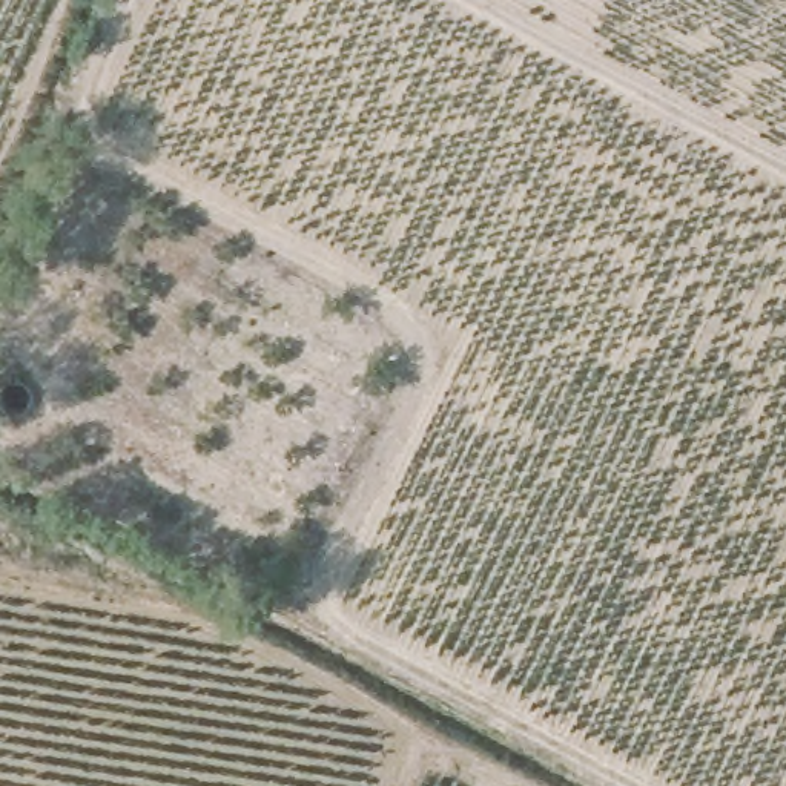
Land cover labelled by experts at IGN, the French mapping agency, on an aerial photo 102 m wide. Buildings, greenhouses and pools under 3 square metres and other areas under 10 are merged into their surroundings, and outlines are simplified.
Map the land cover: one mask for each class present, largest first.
<instances>
[{"label":"vineyard","instance_id":"1","mask_svg":"<svg viewBox=\"0 0 786 786\"><path fill-rule=\"evenodd\" d=\"M74 0H0V163L12 154L18 138L25 120L31 117V101L40 92L43 74L52 55L58 52L61 28ZM120 15H107L95 25L86 43L89 58L71 71L68 83L55 86V107L64 114V126L80 132L83 138H92L95 163L80 166V172L71 181V197L61 203L52 221L46 261L37 267L40 292L31 301H0V485L37 497L58 494L68 488L74 507H86L101 519L129 522L138 534L150 540L154 550L178 556L187 568H227L236 577L255 580L258 586L270 590L273 611H304L322 602L329 593H338L350 599L368 620L393 623L399 626V632H408L424 645L439 648L442 654L467 657L470 663L482 666L479 675L485 682H500L507 688H519L522 694H531L537 688H556V697L537 700L531 712H540L543 718L574 712V731H580L590 740L611 743V749L626 758L654 755L660 761L657 774L675 786H786V0H117ZM147 187L175 190L184 206H200L209 215V221L190 236L150 239L138 252L129 236L141 227L144 212H129V203L141 200ZM236 233H252V252L236 261H221L215 255L218 243ZM111 258L144 264L141 279L157 295L150 301V313L157 322L147 335H138L132 341L129 353L114 356L107 362V372H114L120 381L117 390L83 402L77 396V378L104 368L95 359V347L120 344V335L107 329L104 295L123 292L126 282L104 270ZM252 335L298 338L304 350L292 362L270 365L258 350L243 347ZM387 344L418 347V381L372 396L362 390V378L378 350ZM236 365H249L264 381H282L286 387L276 396L255 399L249 384L221 381V375ZM221 396H239L246 411L230 418L227 448L200 454L197 436L209 433V427L200 421V411L218 402ZM86 421H98L111 430V451L104 445H89L80 454H64L40 467L37 479L15 467V445H34L37 439L52 436L58 427H77ZM313 433L325 436L322 454L286 461V451L292 445H304ZM18 510H6L0 516V786H375V768H381L384 758L393 752H405L411 737H418L427 728L399 712L396 706L378 700L375 694L362 691L359 685L298 657L295 651L258 639V620L218 626L190 605L172 602L150 574L135 568L132 562L101 553L77 537L40 547L34 543V534L15 528Z\"/></svg>","mask_w":786,"mask_h":786},{"label":"deciduous trees","instance_id":"2","mask_svg":"<svg viewBox=\"0 0 786 786\"><path fill-rule=\"evenodd\" d=\"M95 163L92 138H83L80 132L64 126V114L55 107V101L46 107L40 135L28 144L18 138L12 154L0 163V301H31L40 292L37 267L46 261L52 221L61 203L71 197V181L80 172V166ZM129 212H144L141 227L129 236L138 252L150 239L190 236L209 221V215L200 206H184L175 190L147 187L141 200L129 203ZM252 233H236L218 243L215 255L221 261H236L252 252ZM104 270L126 282L123 292L104 295L107 329L120 335V344L95 347V359L104 368L77 378V396L83 402L117 390L120 381L114 372H107V362L114 356L129 353L132 341L138 335H147L157 322L150 313V301L157 295L141 279L144 264L111 258ZM243 347L258 350L270 365L292 362L304 350L298 338L252 335ZM418 347L387 344L378 350L362 378V390L372 396L418 381ZM221 381L249 384L255 399L276 396L286 387L282 381H264L249 365H236L221 375ZM246 411L239 396H221L218 402L200 411V421L209 427V433L197 436L200 454L227 448L230 418ZM89 445H104L111 451V430L98 421H86L77 427H58L52 436L37 439L34 445H15V467L37 479L40 467L64 454H80ZM325 436L313 433L304 445H292L286 451V461L322 454ZM6 510H18L15 528L34 534V543L40 547L77 537L101 553L132 562L135 568L150 574L172 602L190 605L218 626L258 620H273V611L270 590L258 586L255 580L236 577L227 568H187L178 556L154 550L150 540L138 534L129 522L101 519L86 507H74L68 488L58 494L37 497L0 485V516Z\"/></svg>","mask_w":786,"mask_h":786},{"label":"pervious surface","instance_id":"3","mask_svg":"<svg viewBox=\"0 0 786 786\"><path fill-rule=\"evenodd\" d=\"M329 651L344 654L347 660L378 672L402 691H411L414 697L439 706L442 712H451L461 722L494 734L500 743L537 758L540 765L571 777L565 786H675L657 774L660 761L654 755L626 758L611 749V743L590 740L580 731H574V712L543 718L540 712H531L537 700L556 697V688H537L531 694H522L519 688H507L500 682H485L479 675L482 666L470 663L467 657L442 654L439 648L424 645L408 632H399V626L393 623L368 620L350 599L338 593H329L322 602L304 611H273V620Z\"/></svg>","mask_w":786,"mask_h":786},{"label":"brushwood","instance_id":"4","mask_svg":"<svg viewBox=\"0 0 786 786\"><path fill-rule=\"evenodd\" d=\"M107 15H120L117 0H74L61 28L58 52L52 55L43 74L40 92L31 101V117L25 120L18 138L28 144L40 135L46 107L55 101V86L68 83L71 71L89 58L86 43L95 25ZM258 639L295 651L298 657L359 685L362 691L375 694L378 700L396 706L399 712L427 728L543 786H565L571 777L540 765L537 758L500 743L494 734L461 722L451 712H442L439 706L414 697L411 691H402L378 672L347 660L344 654L329 651L273 620H258Z\"/></svg>","mask_w":786,"mask_h":786},{"label":"plowed land","instance_id":"5","mask_svg":"<svg viewBox=\"0 0 786 786\"><path fill-rule=\"evenodd\" d=\"M375 786H543L427 728L418 737H411L405 752H393L384 758L381 768H375Z\"/></svg>","mask_w":786,"mask_h":786}]
</instances>
